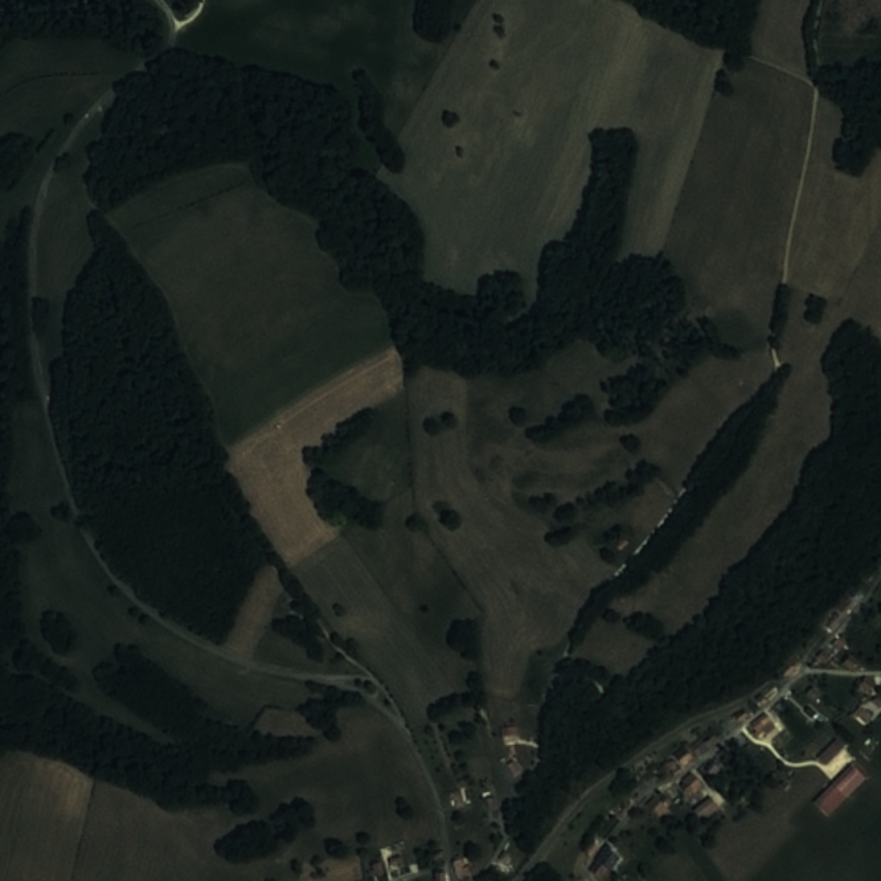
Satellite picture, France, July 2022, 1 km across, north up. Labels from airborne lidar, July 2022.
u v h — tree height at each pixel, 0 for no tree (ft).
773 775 17
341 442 48
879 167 0
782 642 64
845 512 99
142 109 70
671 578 0
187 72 82
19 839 0
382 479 0
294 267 0
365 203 72
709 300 0
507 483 0
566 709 66
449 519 58
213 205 0
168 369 67
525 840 69
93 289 52
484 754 0
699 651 73
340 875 0
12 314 61
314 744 44
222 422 0
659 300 76
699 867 0
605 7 0
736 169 0
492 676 0
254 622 0
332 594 0
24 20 71
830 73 58
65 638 46
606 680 53
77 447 66
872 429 87
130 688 45
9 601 64
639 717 67
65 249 0
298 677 0
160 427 79
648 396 62
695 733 19
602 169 66
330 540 0
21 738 64
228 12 0
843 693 0
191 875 0
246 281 0
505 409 0
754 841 0
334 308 0
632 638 0
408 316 98
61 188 0
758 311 0
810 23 39
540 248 0
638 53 0
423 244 51
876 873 0
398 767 0
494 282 59
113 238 48
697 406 0
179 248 0
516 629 0
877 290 0
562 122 0
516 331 44
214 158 52
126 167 73
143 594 45
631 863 0
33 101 0
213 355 0
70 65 0
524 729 0
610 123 0
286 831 45
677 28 63
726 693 77
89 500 70
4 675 58
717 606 62
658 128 0
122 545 54
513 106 0
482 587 0
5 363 53
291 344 0
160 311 48
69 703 42
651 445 0
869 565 77
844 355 59
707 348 55
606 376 0
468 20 0
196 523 42
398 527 0
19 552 28
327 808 0
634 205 0
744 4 80
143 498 57
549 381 0
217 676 0
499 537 0
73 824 0
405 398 0
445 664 0
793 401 0
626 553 0
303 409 0
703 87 0
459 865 0
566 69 0
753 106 0
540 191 0
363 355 0
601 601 51
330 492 51
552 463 0
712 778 51
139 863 0
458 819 44
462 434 0
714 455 48
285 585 40
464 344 89
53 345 0
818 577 49
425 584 0
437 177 0
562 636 0
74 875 0
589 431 0
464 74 0
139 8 72
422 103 0
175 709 49
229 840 41
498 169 0
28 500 0
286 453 0
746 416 46
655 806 0
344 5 0
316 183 92
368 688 35
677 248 0
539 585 0
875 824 0
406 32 0
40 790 0
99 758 65
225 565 40
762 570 83
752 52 26
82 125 0
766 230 0
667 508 0
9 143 48
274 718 0
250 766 35
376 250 65
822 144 0
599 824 37
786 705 26
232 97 97
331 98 66
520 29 0
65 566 0
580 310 59
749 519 0
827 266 0
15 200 0
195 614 33
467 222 0
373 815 0
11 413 47
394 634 0
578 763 69
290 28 0
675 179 0
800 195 0
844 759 0
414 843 0
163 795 65
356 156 68
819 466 69
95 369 70
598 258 63
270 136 80
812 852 0
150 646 0
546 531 0
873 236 0
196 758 66
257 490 0
